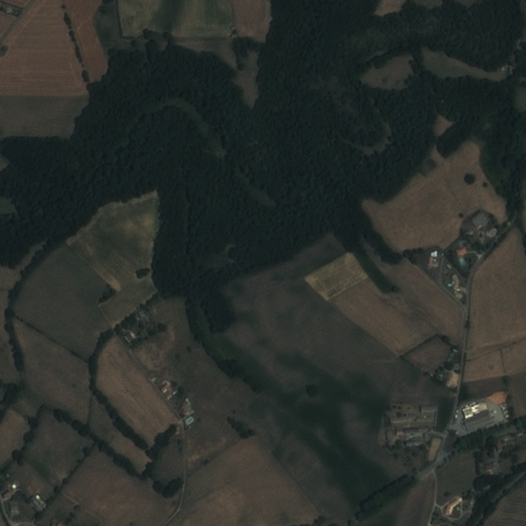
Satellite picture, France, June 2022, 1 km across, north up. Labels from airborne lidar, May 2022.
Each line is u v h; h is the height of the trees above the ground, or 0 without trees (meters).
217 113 22
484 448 7
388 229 0
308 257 0
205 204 18
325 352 0
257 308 0
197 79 21
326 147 11
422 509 0
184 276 18
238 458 0
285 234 14
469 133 18
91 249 0
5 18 0
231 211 13
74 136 9
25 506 0
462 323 0
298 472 0
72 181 15
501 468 0
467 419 0
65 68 0
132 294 0
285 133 16
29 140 18
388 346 0
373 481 0
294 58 11
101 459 0
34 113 0
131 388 0
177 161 28
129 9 0
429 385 0
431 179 0
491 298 0
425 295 0
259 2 0
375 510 25
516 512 0
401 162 26
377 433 0
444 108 18
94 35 0
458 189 0
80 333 0
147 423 0
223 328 15
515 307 0
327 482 0
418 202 0
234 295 0
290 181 24
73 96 0
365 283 0
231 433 0
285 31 12
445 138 19
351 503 0
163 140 21
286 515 0
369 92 11
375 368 0
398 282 0
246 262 15
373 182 18
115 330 8
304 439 0
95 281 0
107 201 13
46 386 0
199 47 0
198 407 0
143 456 0
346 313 0
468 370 0
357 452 0
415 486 17
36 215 27
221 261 0
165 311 0
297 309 0
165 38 11
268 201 0
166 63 16
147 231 0
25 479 0
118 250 0
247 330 0
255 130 8
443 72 0
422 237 0
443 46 14
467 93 17
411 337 0
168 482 0
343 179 9
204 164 18
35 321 0
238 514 0
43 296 0
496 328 0
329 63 12
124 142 0
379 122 22
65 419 24
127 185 22
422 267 0
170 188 17
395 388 0
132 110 18
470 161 0
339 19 12
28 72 0
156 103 0
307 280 0
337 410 0
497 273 0
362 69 12
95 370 10
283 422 0
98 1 0
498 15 17
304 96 18
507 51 15
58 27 0
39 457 0
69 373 0
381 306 0
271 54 15
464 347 0
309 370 0
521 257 0
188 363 0
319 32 19
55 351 0
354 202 18
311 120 16
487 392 0
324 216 19
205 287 23
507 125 12
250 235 20
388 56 17
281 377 0
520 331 0
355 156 23
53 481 0
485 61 15
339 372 0
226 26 0
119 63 18
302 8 9
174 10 0
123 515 0
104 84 17
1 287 0
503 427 19
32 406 0
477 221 0
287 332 0
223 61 9
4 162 0
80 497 0
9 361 0
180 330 0
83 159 16
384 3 0
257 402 0
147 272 13
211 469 0
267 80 18
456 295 0
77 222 20
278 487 0
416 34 9
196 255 23
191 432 0
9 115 0
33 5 0
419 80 18
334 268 0
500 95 19
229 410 0
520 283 0
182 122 18
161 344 0
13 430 0
